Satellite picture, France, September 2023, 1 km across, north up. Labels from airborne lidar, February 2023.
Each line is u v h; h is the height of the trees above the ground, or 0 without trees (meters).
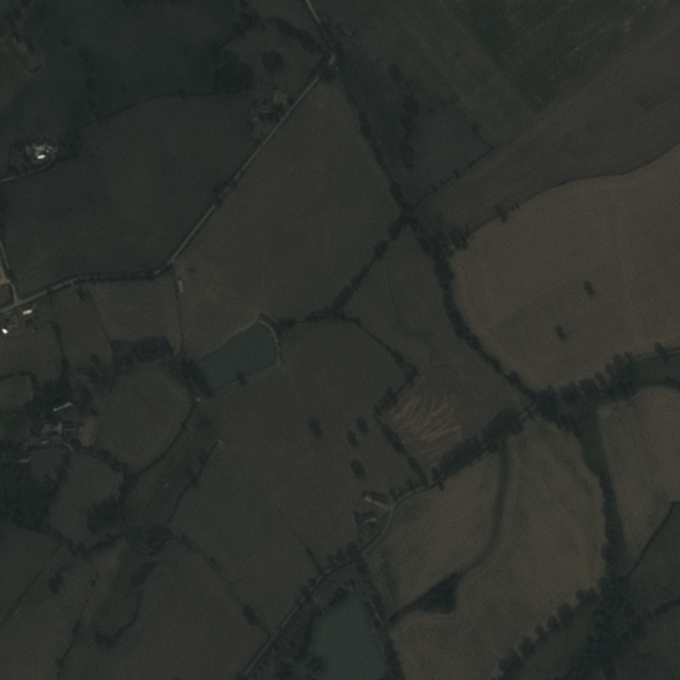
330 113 0
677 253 0
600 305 0
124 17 0
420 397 0
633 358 12
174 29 0
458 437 0
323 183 0
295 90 0
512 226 0
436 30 0
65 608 0
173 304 0
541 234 0
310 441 0
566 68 0
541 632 13
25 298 0
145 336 0
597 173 0
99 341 0
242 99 0
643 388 0
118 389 0
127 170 0
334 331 0
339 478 0
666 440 0
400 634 0
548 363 0
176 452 0
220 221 0
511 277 0
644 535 0
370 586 19
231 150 0
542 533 0
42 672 0
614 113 0
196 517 0
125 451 0
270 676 0
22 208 0
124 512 8
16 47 0
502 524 0
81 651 0
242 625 0
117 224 0
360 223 0
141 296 0
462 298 0
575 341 0
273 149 0
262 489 0
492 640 0
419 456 0
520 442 0
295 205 0
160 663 0
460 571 0
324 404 0
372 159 0
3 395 0
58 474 13
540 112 0
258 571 0
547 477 0
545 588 0
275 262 0
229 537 0
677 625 0
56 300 0
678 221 0
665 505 0
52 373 0
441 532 0
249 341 0
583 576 0
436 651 0
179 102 0
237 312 0
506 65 0
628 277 0
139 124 0
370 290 0
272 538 0
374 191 0
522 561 0
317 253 0
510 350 0
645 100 0
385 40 0
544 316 0
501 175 0
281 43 0
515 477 0
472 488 0
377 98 0
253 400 0
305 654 15
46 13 12
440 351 0
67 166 0
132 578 0
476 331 0
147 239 0
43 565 0
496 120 0
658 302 0
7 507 11
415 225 12
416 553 0
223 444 0
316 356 0
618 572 0
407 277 0
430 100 0
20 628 0
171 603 0
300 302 0
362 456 0
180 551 0
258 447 0
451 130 0
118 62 0
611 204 0
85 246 0
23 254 0
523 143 0
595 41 0
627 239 0
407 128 17
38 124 0
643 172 0
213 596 0
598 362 0
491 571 0
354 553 16
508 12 0
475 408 0
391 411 0
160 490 0
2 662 0
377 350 0
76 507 0
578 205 0
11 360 0
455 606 0
